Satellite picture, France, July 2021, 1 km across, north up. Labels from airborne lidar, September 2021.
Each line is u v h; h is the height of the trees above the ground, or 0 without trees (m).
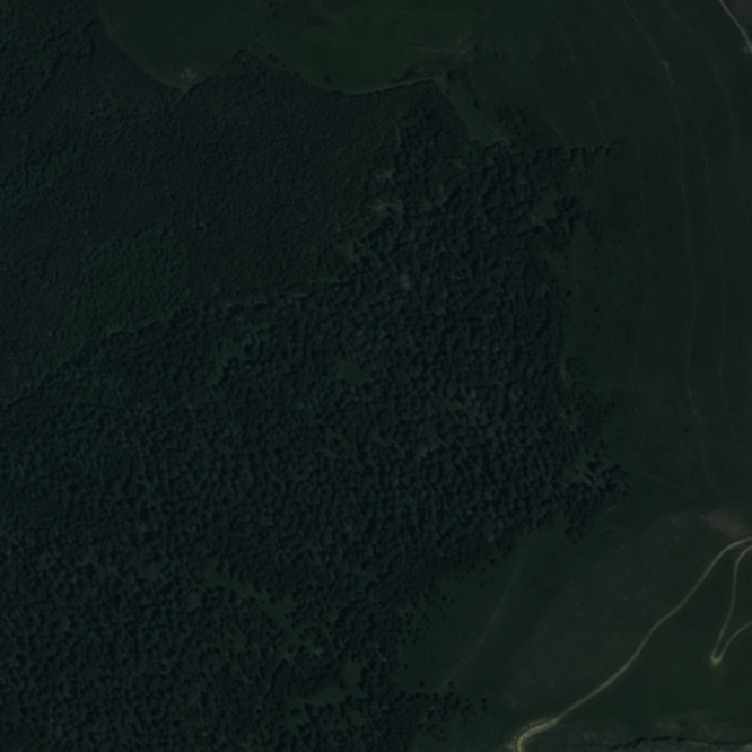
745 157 0
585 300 0
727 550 0
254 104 14
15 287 20
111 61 21
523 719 0
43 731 13
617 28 0
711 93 0
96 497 26
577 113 0
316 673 21
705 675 0
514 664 0
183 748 24
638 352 0
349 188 14
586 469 0
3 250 17
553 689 0
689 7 0
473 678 0
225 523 21
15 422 22
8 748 15
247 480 26
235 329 22
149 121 15
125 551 21
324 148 14
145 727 13
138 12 0
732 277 0
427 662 0
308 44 0
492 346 17
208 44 0
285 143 17
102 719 32
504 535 18
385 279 20
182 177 19
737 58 0
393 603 20
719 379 0
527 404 21
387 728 13
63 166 20
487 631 0
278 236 15
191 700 28
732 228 0
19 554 18
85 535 25
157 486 17
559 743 0
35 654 15
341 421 20
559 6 0
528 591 0
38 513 17
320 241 18
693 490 0
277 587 20
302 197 8
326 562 23
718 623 0
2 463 22
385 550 18
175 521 26
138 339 27
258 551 21
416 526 18
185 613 11
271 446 19
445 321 19
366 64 0
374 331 19
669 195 0
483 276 29
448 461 24
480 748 0
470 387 22
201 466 10
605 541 0
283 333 20
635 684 0
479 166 21
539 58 0
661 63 0
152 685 27
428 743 0
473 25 0
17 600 16
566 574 0
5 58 22
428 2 0
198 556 21
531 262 14
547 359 15
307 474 16
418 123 15
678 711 0
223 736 22
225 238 21
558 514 14
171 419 22
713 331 0
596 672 0
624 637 0
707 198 0
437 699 11
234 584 0
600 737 0
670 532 0
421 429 26
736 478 0
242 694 21
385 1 0
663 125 0
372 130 15
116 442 17
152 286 25
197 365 21
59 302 24
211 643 11
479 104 10
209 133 16
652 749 0
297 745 16
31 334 18
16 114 17
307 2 0
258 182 16
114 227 19
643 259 0
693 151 0
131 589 25
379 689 16
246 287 17
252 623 18
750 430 0
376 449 23
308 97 19
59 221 20
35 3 8
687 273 0
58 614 24
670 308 0
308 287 25
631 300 0
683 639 0
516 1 0
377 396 33
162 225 16
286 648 21
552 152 17
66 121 21
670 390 0
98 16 11
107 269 26
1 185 24
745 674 0
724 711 0
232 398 25
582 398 6
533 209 26
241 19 0
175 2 0
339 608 7
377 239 21
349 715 7
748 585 0
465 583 0
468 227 18
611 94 0
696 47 0
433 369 28
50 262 17
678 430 0
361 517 11
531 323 27
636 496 0
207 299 18
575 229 13
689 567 0
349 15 0
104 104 17
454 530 18
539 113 0
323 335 20
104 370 27
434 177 23
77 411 26
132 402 23
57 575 18
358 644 17
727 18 0
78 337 23
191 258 21
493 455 22
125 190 19
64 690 25
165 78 0
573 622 0
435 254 26
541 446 17
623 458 0
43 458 17
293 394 26
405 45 0
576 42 0
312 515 17
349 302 18
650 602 0
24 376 19
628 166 0
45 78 17
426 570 20
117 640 20
